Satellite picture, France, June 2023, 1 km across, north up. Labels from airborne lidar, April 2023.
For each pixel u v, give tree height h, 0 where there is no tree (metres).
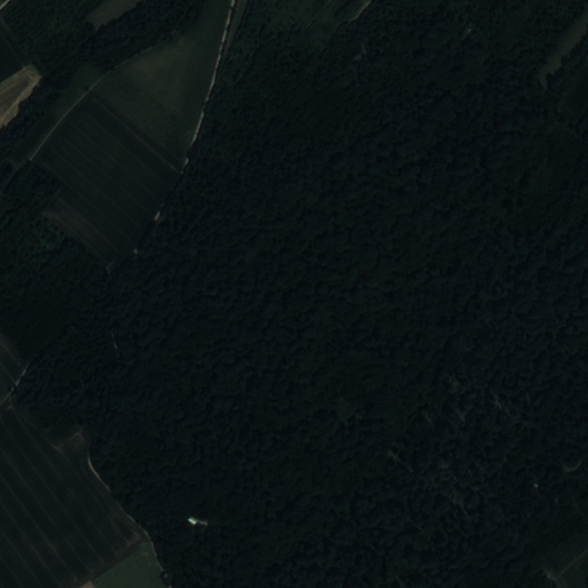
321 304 31
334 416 19
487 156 28
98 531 0
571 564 0
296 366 26
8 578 0
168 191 0
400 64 9
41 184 19
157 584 0
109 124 0
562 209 6
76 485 0
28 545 0
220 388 22
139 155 0
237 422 23
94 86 0
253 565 28
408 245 32
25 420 0
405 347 31
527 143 33
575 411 21
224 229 26
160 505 19
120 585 0
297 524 29
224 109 15
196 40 0
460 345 29
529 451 25
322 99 6
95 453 18
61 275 12
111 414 24
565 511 27
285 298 27
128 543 0
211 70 0
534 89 32
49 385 14
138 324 22
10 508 0
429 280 28
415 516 25
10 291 17
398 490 33
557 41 23
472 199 31
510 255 29
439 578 28
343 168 21
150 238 18
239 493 24
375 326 28
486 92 29
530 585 34
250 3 6
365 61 8
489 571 31
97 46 21
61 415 10
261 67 8
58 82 14
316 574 27
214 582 21
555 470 22
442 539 26
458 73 35
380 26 12
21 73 0
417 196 26
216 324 22
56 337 14
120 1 0
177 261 23
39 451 0
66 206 0
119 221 0
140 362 23
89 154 0
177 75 0
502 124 28
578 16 18
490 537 30
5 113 0
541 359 28
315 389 14
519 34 11
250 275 23
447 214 30
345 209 24
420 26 18
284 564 31
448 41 25
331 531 25
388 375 31
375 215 26
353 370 27
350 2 8
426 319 37
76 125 0
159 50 0
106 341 15
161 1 19
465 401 26
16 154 0
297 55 14
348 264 26
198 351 26
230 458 20
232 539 25
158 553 12
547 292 25
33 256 11
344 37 10
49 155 0
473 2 7
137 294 22
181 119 0
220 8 0
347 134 16
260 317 25
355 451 37
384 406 34
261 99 8
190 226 8
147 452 21
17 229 13
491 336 29
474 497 22
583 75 0
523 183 32
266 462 27
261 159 17
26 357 19
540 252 26
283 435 17
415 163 21
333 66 6
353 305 30
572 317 30
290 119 9
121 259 0
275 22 0
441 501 27
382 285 26
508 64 22
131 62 0
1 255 12
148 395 28
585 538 0
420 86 12
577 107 0
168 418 24
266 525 31
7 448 0
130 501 22
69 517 0
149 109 0
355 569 24
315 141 23
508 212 29
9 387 0
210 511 31
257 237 25
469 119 24
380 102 8
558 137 0
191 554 25
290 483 23
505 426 27
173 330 26
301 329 27
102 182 0
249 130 8
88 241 0
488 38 9
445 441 27
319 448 26
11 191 7
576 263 30
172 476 21
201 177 17
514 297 27
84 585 0
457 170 24
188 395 20
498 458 27
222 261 18
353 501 18
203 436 25
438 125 22
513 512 18
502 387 29
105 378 25
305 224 27
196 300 21
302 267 21
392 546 24
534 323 29
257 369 24
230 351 21
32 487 0
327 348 31
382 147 23
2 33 0
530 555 30
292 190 29
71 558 0
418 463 26
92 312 15
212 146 11
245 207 22
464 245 26
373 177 23
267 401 25
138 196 0
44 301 19
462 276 31
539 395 20
